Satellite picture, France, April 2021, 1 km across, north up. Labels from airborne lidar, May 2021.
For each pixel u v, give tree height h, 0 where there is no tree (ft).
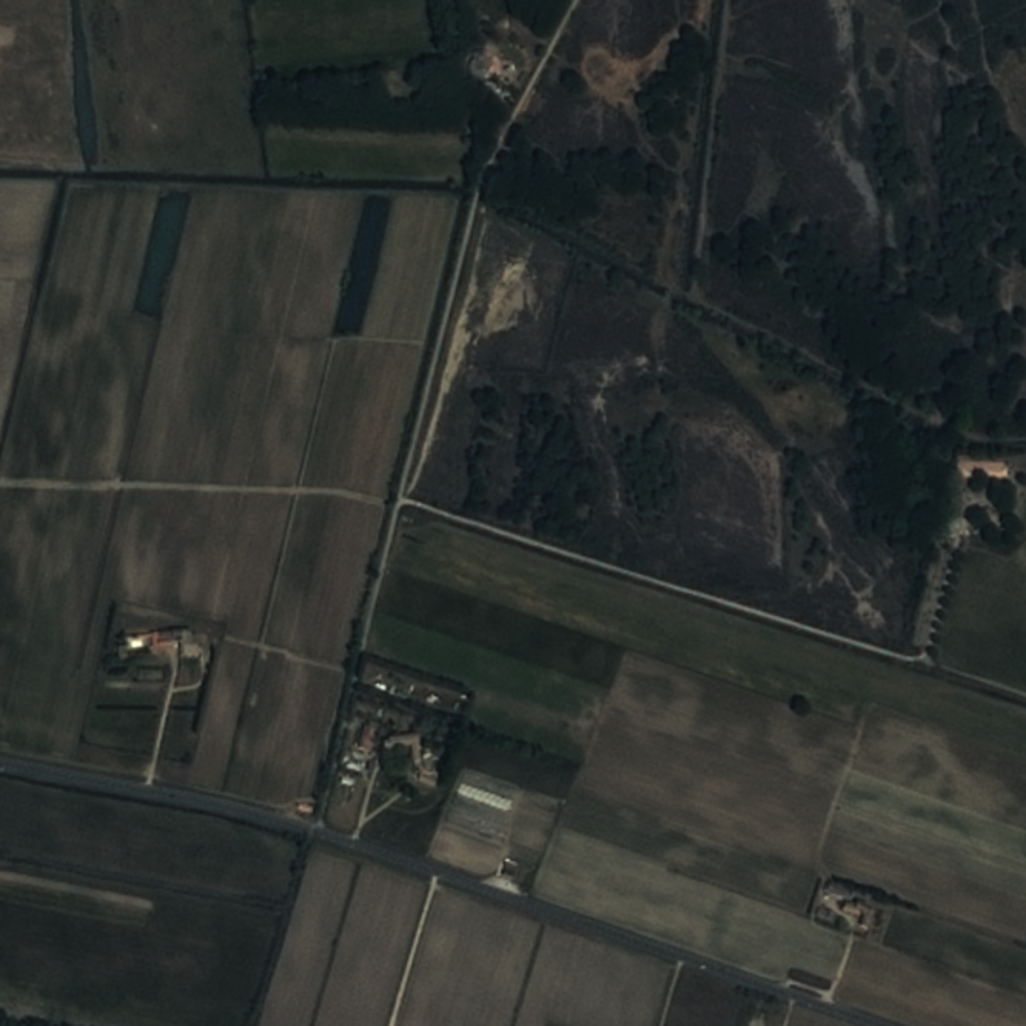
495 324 0
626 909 0
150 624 0
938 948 0
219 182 0
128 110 0
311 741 0
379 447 0
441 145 0
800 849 0
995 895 0
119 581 0
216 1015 0
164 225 0
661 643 0
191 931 0
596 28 0
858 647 0
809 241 36
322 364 0
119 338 0
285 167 0
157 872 0
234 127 0
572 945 0
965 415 47
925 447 55
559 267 0
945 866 0
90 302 0
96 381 0
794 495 31
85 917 0
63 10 0
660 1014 0
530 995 0
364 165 0
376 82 46
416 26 0
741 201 0
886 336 43
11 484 0
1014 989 0
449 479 0
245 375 0
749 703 0
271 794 0
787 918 0
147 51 0
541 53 33
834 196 0
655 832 0
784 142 0
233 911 0
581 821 0
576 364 0
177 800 0
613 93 0
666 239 0
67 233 0
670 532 0
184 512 0
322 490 0
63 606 0
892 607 0
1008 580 0
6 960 0
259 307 0
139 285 0
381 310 0
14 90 0
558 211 40
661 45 0
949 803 0
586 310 0
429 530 0
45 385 0
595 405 0
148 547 0
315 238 0
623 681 0
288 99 51
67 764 0
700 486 0
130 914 0
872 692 0
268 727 0
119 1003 0
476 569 0
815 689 0
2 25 0
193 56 0
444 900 0
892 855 0
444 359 0
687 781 0
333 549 0
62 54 0
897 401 40
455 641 0
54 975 0
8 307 0
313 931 0
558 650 0
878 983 0
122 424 0
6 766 0
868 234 0
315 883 0
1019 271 0
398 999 0
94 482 0
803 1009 0
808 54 0
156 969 0
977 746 0
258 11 0
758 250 41
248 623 0
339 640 0
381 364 0
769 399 0
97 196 0
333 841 0
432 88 47
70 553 0
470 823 0
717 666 0
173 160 0
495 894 0
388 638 0
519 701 0
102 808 0
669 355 0
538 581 0
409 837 0
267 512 0
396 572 0
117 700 0
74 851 0
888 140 31
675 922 0
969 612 0
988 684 0
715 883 0
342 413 0
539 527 33
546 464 38
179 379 0
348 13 0
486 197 46
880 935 0
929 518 54
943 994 0
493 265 0
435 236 0
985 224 36
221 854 0
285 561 0
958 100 42
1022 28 19
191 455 0
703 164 0
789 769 0
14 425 0
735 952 0
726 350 0
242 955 0
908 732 0
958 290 39
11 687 0
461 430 0
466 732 75
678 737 0
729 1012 0
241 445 0
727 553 0
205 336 0
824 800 0
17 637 0
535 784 0
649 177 23
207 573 0
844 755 0
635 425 0
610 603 0
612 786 0
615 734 0
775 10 0
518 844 0
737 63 0
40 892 0
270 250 0
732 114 0
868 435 54
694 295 0
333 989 0
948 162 31
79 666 0
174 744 0
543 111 0
